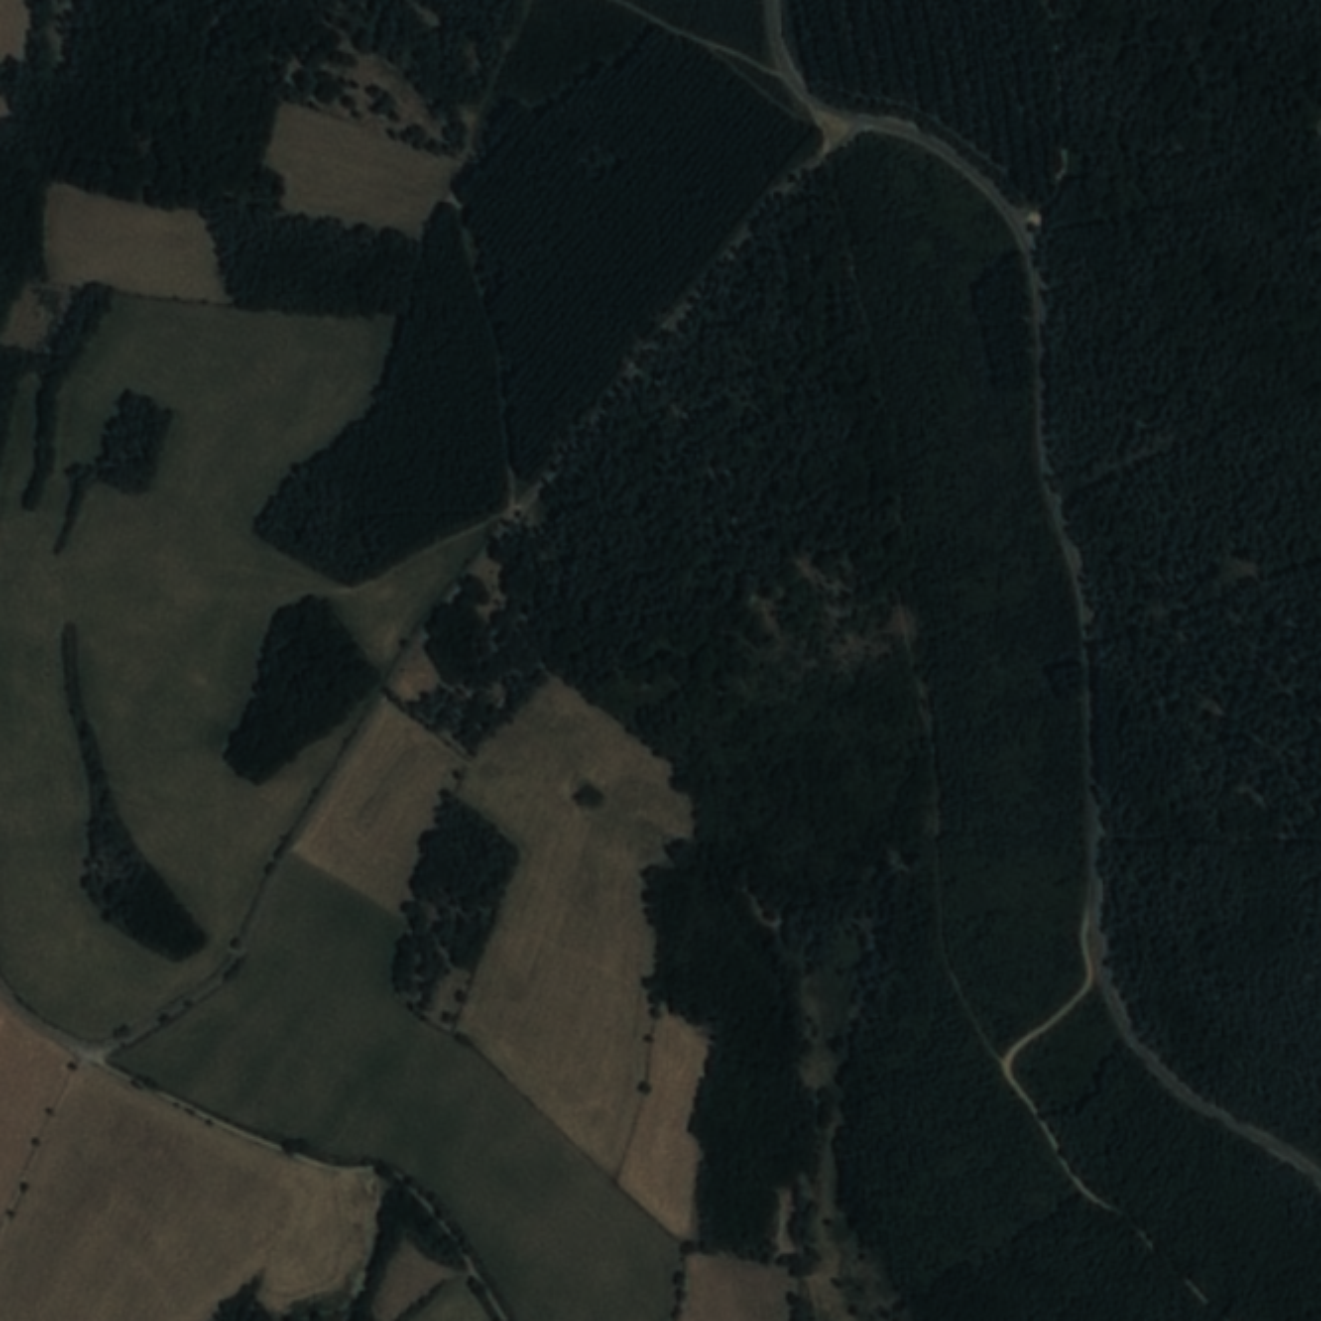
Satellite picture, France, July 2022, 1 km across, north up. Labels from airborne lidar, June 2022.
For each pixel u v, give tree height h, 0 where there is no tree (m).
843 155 9
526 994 0
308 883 0
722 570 21
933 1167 6
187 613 0
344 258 18
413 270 15
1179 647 16
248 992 0
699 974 6
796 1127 15
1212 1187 14
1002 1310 10
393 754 0
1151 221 16
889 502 20
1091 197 18
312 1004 0
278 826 0
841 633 12
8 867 0
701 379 22
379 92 15
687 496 20
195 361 0
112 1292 0
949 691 9
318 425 0
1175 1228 11
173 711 0
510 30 13
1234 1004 16
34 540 0
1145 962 14
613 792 0
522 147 19
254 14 15
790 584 21
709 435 19
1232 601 16
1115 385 15
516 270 18
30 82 13
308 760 0
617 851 0
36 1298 0
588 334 20
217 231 16
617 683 16
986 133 18
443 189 0
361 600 0
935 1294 9
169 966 0
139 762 0
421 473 16
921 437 8
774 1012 16
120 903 9
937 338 7
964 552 7
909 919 6
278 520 15
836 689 6
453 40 17
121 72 18
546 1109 0
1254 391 17
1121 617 6
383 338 0
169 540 0
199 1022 0
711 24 6
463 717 7
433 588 0
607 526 21
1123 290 17
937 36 15
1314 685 19
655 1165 0
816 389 19
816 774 7
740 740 6
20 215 15
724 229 21
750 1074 16
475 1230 0
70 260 0
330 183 0
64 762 0
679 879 7
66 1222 0
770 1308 0
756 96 21
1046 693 5
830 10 15
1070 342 16
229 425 0
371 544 13
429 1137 0
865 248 7
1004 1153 9
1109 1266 13
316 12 16
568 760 0
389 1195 11
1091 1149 16
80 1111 0
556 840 0
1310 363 19
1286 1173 17
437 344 14
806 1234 15
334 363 0
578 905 0
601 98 19
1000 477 6
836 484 18
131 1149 0
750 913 10
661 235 21
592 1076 0
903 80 15
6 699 0
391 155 0
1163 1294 16
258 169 14
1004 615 8
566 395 22
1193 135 20
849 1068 15
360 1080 0
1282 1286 11
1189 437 10
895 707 7
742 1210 15
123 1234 0
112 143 16
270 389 0
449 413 15
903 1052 6
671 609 15
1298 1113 14
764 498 14
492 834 13
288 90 15
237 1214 0
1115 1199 9
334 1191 0
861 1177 8
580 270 22
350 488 18
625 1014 0
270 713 14
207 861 0
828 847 6
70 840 0
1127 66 13
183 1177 0
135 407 14
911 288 8
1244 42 9
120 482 14
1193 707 13
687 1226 0
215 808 0
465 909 12
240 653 0
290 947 0
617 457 21
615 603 17
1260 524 18
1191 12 17
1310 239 24
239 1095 0
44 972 0
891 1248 8
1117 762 20
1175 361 15
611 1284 0
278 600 0
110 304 11
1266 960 12
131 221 0
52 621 0
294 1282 0
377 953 0
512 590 15
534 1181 0
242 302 11
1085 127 15
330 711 14
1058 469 17
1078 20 9
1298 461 15
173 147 16
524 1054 0
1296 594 19
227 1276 0
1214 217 18
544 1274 0
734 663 15
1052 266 14
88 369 0
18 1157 0
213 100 14
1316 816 14
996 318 20
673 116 18
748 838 9
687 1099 0
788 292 9
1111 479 10
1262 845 10
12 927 0
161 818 0
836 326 15
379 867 0
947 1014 9
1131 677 15
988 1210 7
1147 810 16
